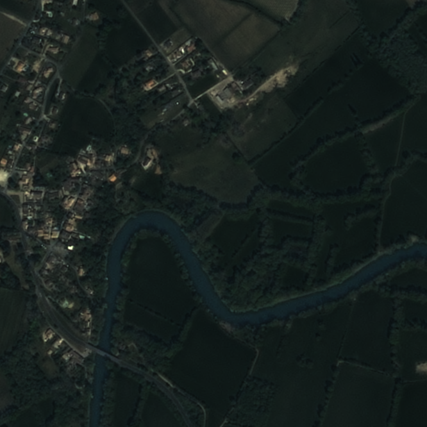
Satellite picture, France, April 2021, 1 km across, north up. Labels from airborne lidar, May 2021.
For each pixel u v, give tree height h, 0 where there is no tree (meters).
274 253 15
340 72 0
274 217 12
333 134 0
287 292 14
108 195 10
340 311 0
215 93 0
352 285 0
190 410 11
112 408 14
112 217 14
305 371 0
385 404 0
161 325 0
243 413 12
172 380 7
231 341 0
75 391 19
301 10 10
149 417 0
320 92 0
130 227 0
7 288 14
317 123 0
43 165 0
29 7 0
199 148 14
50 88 0
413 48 18
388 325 0
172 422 0
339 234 0
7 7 0
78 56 0
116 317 11
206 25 0
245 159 10
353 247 0
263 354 0
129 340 10
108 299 0
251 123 0
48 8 10
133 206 12
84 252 13
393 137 0
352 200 16
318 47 0
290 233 0
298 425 0
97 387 0
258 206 17
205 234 36
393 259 0
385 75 0
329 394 21
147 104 12
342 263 0
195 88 0
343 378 0
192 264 0
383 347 0
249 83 0
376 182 15
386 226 0
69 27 0
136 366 0
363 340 0
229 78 0
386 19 0
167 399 14
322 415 20
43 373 8
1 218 0
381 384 0
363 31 10
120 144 11
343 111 0
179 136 0
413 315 0
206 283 0
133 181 0
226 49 0
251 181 0
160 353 22
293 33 0
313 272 17
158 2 0
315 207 17
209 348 0
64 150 0
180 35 0
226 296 14
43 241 6
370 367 11
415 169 0
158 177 0
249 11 0
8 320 0
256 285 17
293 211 0
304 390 0
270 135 0
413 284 0
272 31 0
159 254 0
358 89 0
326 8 0
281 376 0
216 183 0
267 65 0
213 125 14
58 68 0
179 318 0
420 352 0
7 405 0
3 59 0
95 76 0
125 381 0
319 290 14
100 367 0
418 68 20
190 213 17
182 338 10
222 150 0
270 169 0
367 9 0
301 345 0
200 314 0
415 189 0
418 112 0
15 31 0
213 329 0
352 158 0
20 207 0
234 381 0
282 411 0
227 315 0
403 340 0
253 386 12
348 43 0
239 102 0
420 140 0
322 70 0
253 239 0
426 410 0
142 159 0
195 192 17
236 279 18
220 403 0
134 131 15
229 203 0
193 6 0
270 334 0
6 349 0
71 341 0
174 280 0
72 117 0
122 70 0
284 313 0
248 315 0
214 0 0
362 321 0
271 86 0
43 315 23
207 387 0
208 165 0
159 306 0
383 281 12
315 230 15
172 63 0
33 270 22
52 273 8
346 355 0
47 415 0
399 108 15
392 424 14
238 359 0
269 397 10
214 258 22
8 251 13
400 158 0
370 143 0
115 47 0
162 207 6
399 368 9
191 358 0
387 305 0
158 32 0
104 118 0
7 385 0
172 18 0
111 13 0
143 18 0
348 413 0
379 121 11
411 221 0
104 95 19
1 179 0
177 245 0
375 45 22
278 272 16
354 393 0
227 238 0
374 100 0
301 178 11
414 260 13
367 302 0
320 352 0
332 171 0
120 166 13
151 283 0
